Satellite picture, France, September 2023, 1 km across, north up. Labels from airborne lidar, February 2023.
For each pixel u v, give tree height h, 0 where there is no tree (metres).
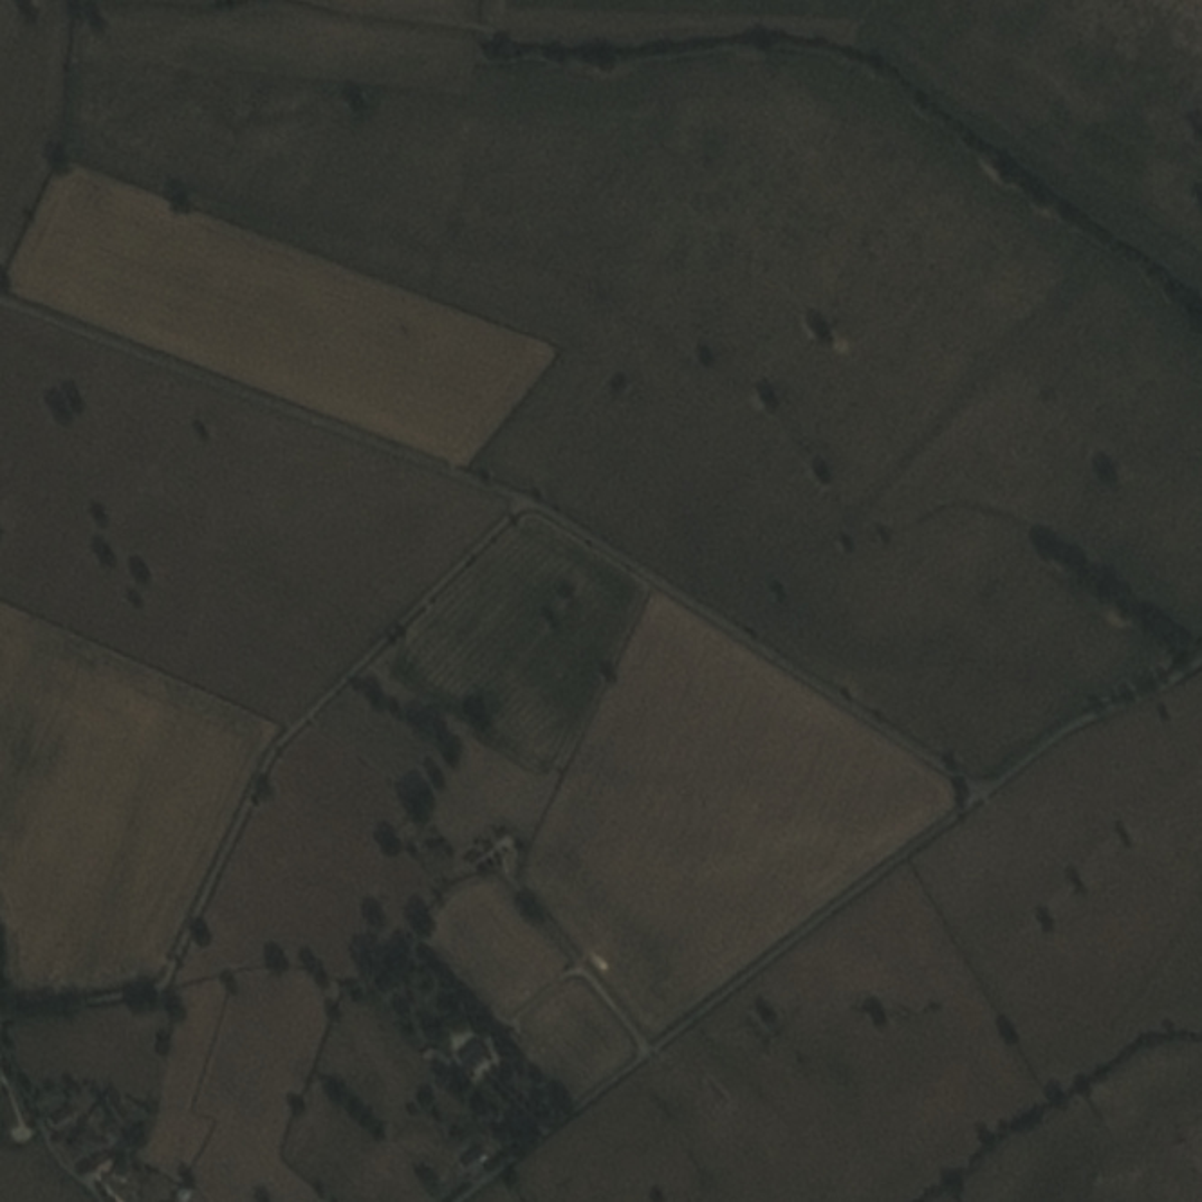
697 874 0
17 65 0
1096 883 0
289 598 0
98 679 0
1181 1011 0
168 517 0
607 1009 0
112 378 0
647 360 0
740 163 0
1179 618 0
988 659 0
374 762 0
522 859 0
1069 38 0
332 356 0
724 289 0
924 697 0
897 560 0
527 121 0
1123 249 7
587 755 0
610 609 0
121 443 0
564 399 0
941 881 0
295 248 0
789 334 0
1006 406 0
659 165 0
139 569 14
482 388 0
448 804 0
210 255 0
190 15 0
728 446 0
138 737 0
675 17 0
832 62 0
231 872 0
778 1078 0
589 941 0
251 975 0
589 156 0
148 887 0
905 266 0
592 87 0
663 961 0
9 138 0
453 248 0
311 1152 0
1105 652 0
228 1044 0
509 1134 14
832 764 0
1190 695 0
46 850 0
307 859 0
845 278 0
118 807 0
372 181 0
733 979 0
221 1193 0
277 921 0
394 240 0
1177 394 0
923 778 0
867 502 0
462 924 0
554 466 0
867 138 0
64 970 0
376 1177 0
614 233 0
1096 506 0
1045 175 0
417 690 0
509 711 0
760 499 0
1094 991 0
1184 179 0
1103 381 0
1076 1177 0
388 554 0
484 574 0
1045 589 0
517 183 0
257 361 0
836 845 0
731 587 0
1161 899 0
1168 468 0
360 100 17
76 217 0
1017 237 0
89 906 0
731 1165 0
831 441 0
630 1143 0
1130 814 0
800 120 0
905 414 0
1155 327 0
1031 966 0
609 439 0
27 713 0
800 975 0
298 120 0
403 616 0
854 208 0
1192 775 0
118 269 0
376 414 0
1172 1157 0
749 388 0
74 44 0
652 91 0
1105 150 0
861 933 0
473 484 0
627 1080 0
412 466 0
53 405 15
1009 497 0
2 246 0
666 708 0
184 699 0
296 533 0
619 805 0
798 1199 0
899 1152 0
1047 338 0
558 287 0
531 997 0
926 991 0
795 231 0
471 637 0
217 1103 0
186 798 0
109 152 0
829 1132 0
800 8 0
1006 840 0
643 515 0
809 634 0
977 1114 0
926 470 0
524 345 0
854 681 0
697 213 0
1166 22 0
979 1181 0
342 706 0
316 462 0
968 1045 0
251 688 0
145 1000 17
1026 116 0
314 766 0
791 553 0
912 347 0
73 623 0
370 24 0
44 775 0
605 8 0
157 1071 0
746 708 0
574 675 0
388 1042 0
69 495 0
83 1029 0
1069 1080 0
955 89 0
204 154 0
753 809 0
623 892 0
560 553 0
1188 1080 0
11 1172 0
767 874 0
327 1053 0
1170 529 0
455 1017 14
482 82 0
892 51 0
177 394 0
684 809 0
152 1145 0
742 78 0
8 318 0
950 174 0
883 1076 0
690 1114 0
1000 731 0
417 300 0
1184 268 0
